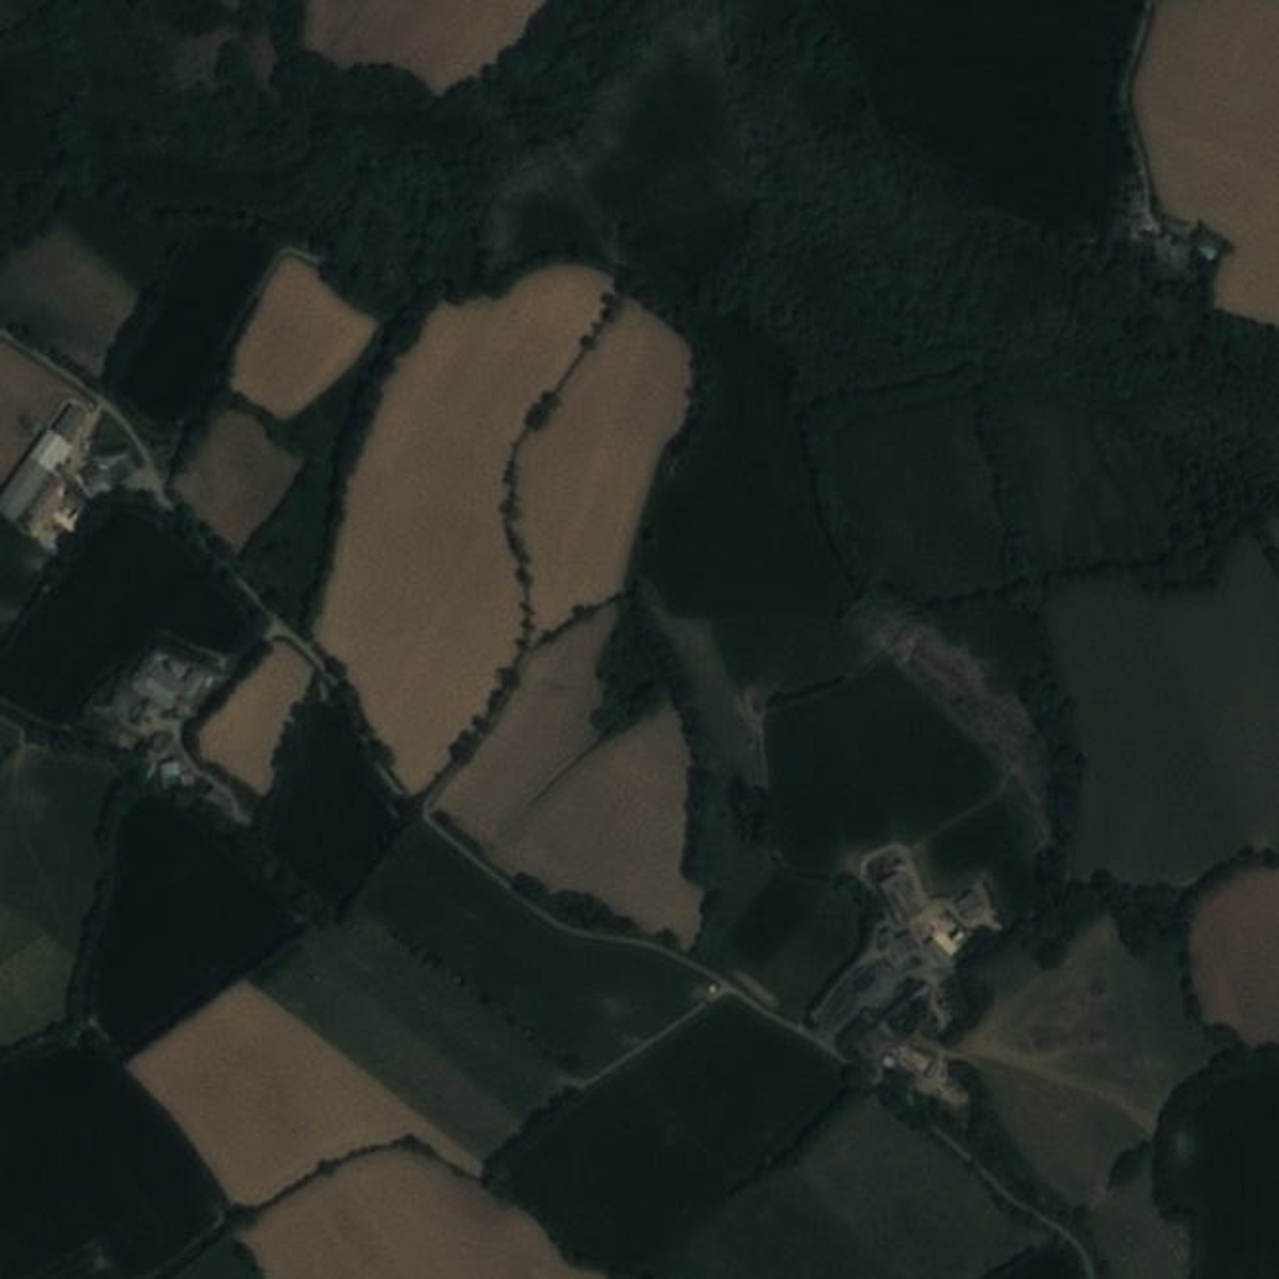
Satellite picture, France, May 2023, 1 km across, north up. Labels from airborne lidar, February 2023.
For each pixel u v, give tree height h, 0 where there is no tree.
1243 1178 0
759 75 10
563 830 0
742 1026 0
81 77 7
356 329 0
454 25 0
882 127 0
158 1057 0
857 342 11
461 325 0
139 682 0
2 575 0
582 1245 0
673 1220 0
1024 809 20
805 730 0
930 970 0
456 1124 0
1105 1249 0
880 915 11
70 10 8
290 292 0
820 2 0
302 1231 0
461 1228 0
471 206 12
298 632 6
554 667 0
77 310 0
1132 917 12
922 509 0
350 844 0
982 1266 0
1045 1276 0
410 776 0
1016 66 0
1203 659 0
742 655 0
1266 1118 0
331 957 0
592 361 0
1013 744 22
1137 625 0
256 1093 0
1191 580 7
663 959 0
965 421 0
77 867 0
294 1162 0
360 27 0
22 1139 0
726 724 0
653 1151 0
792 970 0
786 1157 10
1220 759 0
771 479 0
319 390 0
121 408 0
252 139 6
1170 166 0
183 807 13
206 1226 0
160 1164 0
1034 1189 0
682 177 0
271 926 0
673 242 0
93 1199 0
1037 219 0
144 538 0
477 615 0
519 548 11
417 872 0
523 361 0
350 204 8
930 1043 0
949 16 0
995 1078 0
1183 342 0
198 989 0
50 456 0
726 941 0
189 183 0
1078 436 0
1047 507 0
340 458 15
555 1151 0
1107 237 6
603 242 0
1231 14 0
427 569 0
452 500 0
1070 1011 0
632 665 0
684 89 0
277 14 9
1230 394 9
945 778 0
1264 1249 0
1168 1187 13
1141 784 0
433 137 0
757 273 11
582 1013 0
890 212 8
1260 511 12
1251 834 0
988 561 0
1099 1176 0
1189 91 0
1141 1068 0
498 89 18
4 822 0
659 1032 0
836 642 0
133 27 7
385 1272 0
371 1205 0
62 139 15
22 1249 0
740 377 0
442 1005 0
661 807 0
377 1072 0
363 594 0
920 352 14
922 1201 0
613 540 0
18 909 0
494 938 0
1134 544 0
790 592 0
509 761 0
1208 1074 7
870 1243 0
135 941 0
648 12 15
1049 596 9
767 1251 0
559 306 0
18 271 0
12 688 0
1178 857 0
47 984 0
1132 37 0
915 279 8
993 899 7
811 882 6
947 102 0
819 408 17
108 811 13
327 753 0
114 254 0
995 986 0
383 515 0
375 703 0
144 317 14
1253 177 0
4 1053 9
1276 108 0
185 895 0
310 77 17
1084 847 0
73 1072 0
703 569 0
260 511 0
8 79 0
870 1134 0
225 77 13
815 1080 0
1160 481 10
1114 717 0
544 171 15
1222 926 0
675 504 0
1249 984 0
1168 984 0
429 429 0
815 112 0
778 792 0
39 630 0
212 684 0
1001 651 0
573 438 0
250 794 8
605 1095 0
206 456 0
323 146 12
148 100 0
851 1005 0
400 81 16
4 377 0
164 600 0
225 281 0
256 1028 0
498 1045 0
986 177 0
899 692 0
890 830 0
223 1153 0
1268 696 0
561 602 0
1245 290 0
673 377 0
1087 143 0
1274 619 0
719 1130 0
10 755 7
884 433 0
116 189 11
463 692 0
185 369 0
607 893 0
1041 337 9
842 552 16
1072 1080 0
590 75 16
